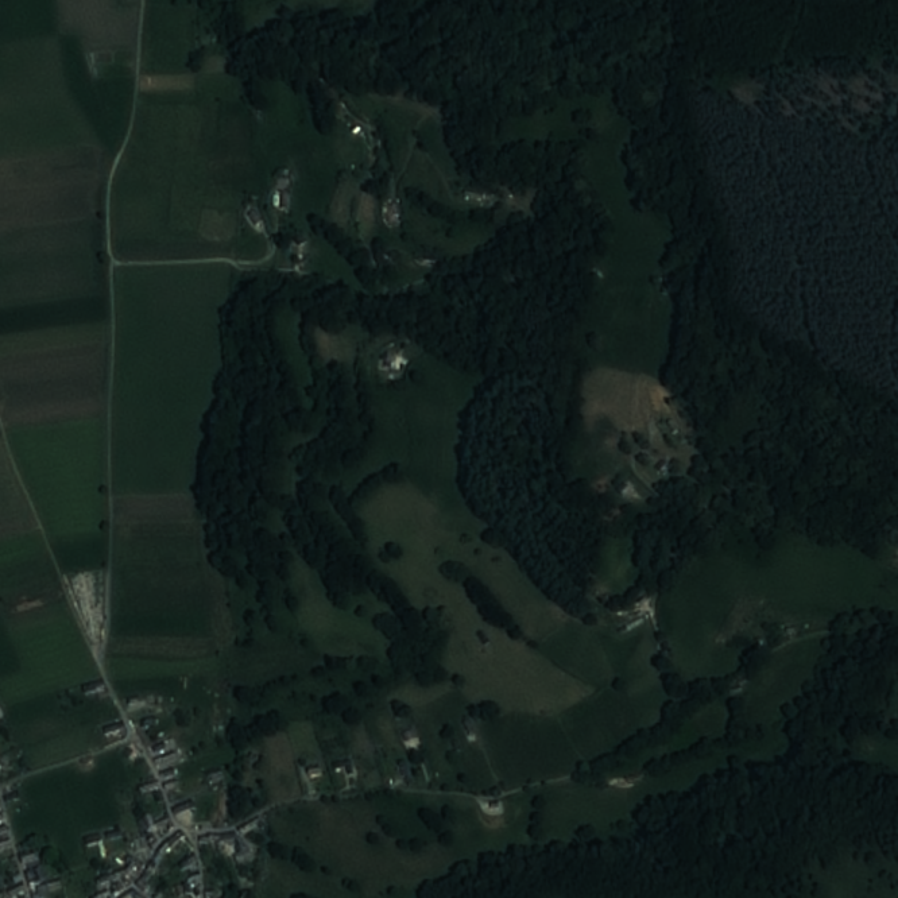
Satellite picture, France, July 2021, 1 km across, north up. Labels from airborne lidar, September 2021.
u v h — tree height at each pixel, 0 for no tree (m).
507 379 30
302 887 0
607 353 0
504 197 13
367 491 10
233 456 18
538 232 28
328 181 0
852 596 0
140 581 0
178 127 0
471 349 15
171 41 0
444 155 0
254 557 20
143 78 0
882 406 27
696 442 8
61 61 0
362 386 14
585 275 22
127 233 0
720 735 0
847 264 19
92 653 0
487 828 0
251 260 0
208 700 0
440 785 10
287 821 0
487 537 19
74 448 0
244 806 21
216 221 0
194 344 0
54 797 0
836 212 25
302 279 6
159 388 0
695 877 19
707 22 11
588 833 22
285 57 30
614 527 16
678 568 16
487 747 0
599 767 23
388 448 0
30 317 0
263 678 0
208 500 27
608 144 0
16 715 0
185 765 0
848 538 24
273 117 0
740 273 24
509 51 24
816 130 24
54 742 0
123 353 0
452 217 16
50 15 0
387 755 11
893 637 33
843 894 0
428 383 0
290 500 15
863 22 9
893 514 22
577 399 11
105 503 0
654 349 0
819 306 21
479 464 30
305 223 0
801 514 24
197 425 0
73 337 0
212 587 0
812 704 28
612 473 0
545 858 26
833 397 24
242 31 9
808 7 9
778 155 21
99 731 0
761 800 24
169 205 0
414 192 9
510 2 34
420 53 18
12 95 0
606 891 13
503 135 13
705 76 8
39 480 0
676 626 0
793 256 22
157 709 0
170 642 0
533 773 0
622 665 0
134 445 0
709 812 32
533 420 26
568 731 0
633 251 0
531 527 30
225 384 24
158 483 0
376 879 0
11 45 0
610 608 19
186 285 0
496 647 0
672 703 9
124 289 0
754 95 0
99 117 0
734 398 13
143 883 0
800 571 0
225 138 0
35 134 0
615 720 0
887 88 20
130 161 0
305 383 0
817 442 22
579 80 12
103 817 0
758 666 24
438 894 19
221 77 0
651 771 23
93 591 0
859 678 27
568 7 31
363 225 6
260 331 15
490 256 24
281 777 0
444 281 13
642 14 24
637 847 24
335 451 16
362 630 0
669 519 20
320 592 0
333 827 0
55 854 18
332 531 20
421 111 0
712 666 0
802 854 20
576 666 0
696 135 26
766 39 9
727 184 23
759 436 16
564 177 12
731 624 0
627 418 0
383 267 6
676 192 23
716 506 18
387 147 9
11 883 9
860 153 23
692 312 23
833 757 20
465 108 30
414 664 11
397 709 11
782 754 0
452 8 27
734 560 0
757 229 23
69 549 0
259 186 0
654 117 21
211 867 7
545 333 23
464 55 25
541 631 0
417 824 0
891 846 14
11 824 0
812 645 0
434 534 0
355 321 13
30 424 0
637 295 0
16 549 0
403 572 0
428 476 0
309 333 19
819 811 23
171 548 0
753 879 26
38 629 0
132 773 0
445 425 0
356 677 0
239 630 8
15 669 0
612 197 0
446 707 0
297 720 0
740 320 26
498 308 28
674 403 16
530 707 0
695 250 23
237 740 17
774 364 15
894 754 0
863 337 18
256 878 6
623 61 22
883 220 24
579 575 16
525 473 7
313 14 8
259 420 28
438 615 18
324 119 25
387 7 18
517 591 0
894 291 20
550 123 0
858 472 23
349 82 23
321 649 0
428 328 27
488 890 21
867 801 16
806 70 24
